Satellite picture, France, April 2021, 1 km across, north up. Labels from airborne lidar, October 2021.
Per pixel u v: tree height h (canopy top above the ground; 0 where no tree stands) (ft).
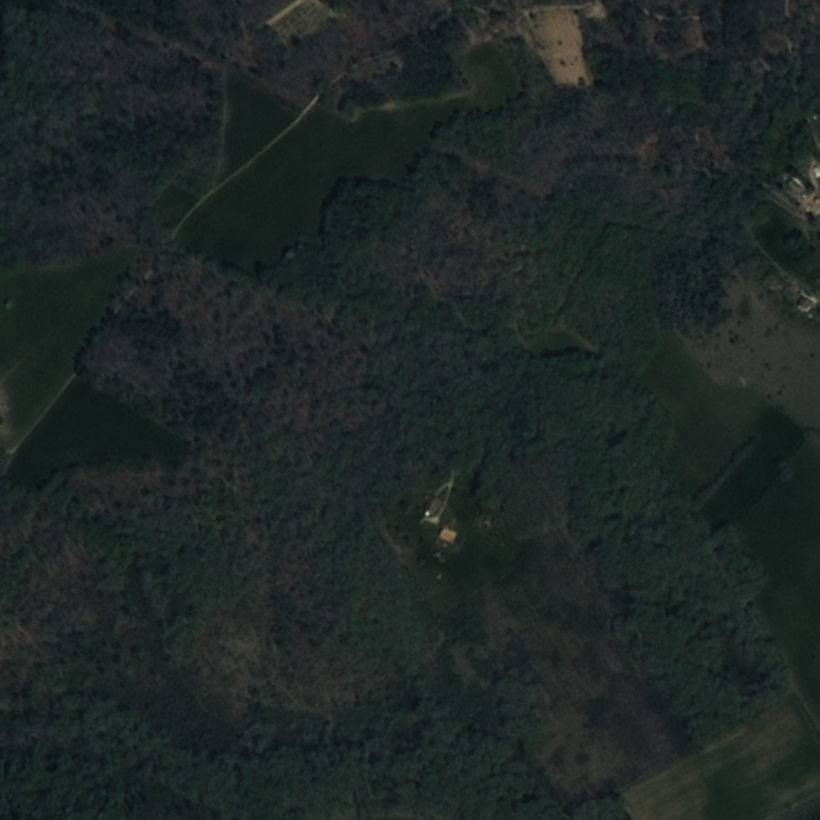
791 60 52
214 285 53
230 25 71
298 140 0
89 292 0
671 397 0
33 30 57
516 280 45
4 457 52
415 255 60
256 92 0
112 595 61
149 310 30
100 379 50
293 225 0
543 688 28
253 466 52
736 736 31
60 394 0
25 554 45
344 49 34
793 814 31
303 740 70
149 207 48
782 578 0
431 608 21
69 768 57
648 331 68
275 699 28
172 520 63
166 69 59
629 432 68
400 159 0
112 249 45
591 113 71
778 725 0
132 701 21
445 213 52
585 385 62
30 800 67
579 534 46
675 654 87
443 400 70
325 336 26
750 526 0
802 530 0
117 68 69
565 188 66
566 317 50
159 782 76
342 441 54
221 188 0
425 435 54
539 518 62
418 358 76
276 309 36
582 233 83
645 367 34
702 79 62
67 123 64
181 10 79
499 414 91
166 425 32
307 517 56
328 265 23
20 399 0
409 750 82
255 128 0
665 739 25
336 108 54
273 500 51
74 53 41
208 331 41
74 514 66
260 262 0
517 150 73
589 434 68
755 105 30
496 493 51
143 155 85
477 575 0
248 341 40
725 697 90
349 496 61
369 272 59
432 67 79
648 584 90
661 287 58
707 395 0
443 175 77
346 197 85
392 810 68
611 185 45
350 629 60
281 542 50
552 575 39
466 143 60
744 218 79
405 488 74
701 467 0
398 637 67
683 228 61
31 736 64
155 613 71
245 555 73
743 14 74
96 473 45
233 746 24
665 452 51
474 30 64
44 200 75
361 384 27
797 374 0
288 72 69
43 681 76
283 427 34
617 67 91
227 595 57
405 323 26
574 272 61
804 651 0
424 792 81
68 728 77
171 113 25
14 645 67
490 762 92
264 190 0
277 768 95
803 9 35
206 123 44
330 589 47
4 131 83
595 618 23
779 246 0
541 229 63
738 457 38
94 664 57
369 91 53
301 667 41
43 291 0
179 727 28
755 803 0
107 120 36
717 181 68
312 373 55
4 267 62
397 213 75
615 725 27
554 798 41
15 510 37
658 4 55
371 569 77
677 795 0
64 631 44
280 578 55
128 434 0
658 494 61
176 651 72
